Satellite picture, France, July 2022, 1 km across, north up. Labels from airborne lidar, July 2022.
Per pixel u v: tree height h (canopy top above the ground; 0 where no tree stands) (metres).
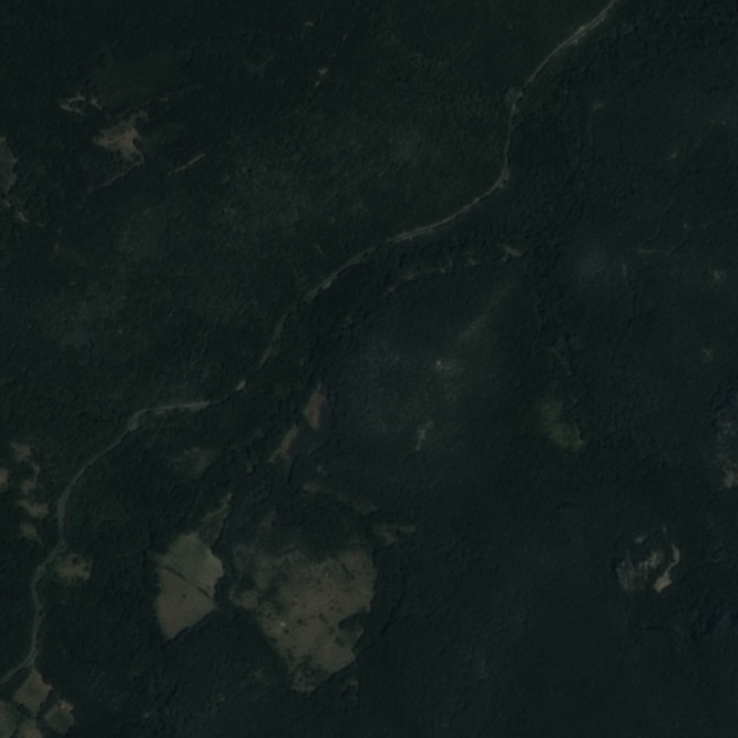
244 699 7
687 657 11
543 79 19
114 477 16
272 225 10
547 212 10
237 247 6
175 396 6
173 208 12
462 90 9
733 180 9
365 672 14
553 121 18
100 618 17
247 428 17
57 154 14
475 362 7
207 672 11
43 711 11
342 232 13
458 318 10
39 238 13
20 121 18
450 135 13
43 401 23
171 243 13
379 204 14
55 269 13
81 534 12
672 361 11
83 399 24
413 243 12
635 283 12
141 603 17
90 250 11
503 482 18
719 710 11
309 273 9
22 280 10
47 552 8
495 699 6
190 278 13
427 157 9
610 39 13
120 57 12
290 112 15
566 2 10
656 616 15
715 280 6
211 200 11
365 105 11
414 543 14
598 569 10
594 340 14
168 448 9
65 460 11
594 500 7
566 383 16
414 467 8
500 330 9
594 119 6
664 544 12
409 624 12
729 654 6
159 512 16
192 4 15
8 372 15
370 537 11
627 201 11
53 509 12
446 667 12
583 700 11
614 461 10
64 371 10
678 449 11
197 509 8
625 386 9
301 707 10
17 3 12
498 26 15
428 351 6
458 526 11
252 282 14
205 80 14
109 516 11
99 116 11
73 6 11
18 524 12
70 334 9
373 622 16
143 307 10
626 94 9
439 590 10
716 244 9
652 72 10
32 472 14
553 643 9
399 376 6
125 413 15
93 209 11
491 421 12
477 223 19
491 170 10
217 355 23
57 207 9
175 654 12
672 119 7
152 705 10
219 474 15
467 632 9
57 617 15
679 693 9
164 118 13
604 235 8
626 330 13
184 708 6
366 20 18
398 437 6
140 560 16
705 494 11
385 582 13
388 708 12
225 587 11
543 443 12
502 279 9
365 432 7
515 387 15
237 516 10
